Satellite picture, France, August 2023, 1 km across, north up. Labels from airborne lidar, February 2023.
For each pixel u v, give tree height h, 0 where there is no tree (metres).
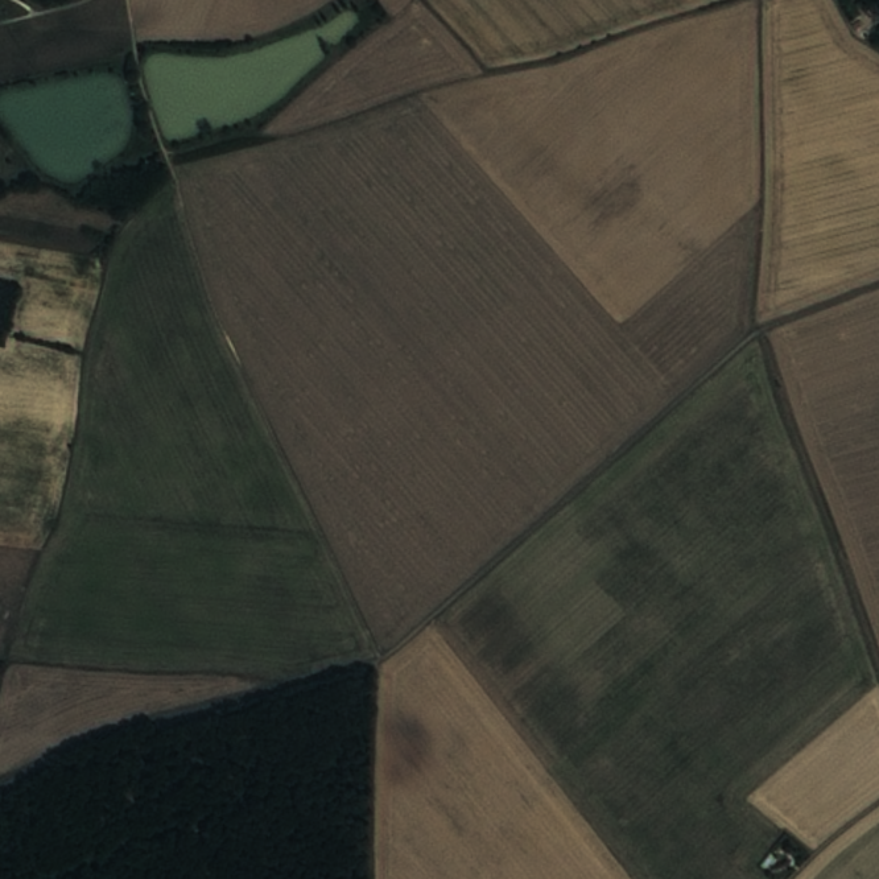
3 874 18
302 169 0
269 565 0
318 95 0
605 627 0
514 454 0
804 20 0
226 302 0
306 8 0
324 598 0
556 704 0
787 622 0
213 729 21
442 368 0
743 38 0
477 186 0
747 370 0
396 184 0
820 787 0
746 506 0
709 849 0
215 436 0
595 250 0
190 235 0
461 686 0
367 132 0
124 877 20
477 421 0
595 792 0
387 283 0
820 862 0
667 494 0
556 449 0
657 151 0
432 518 0
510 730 0
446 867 0
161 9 0
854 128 0
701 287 0
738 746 0
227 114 0
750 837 0
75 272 0
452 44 0
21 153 0
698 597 0
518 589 0
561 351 0
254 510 0
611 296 0
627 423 0
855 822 0
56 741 0
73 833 17
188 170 0
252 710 21
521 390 0
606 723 0
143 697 0
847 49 0
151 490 0
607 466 0
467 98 0
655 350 0
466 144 0
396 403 0
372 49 0
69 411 0
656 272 0
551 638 0
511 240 0
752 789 0
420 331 0
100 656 0
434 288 0
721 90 0
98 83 0
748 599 0
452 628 0
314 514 0
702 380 0
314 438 0
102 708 0
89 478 0
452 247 0
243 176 0
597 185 0
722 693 0
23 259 0
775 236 0
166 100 0
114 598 0
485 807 0
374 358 0
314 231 0
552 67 0
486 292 0
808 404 0
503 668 0
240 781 18
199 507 0
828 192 0
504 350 0
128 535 0
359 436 0
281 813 25
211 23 0
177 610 0
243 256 0
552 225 0
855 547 0
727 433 0
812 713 0
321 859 19
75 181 0
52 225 0
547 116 0
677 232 0
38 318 0
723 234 0
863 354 0
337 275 0
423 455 0
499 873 0
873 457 0
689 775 0
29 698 0
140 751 21
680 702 0
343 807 24
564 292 0
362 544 0
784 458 0
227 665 0
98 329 0
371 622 0
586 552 0
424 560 0
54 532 0
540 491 0
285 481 0
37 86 13
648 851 0
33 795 18
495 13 0
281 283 0
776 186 0
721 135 0
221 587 0
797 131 0
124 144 0
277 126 0
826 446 0
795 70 0
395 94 0
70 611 0
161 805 24
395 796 0
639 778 0
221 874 23
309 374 0
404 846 0
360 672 15
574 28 0
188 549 0
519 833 0
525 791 0
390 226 0
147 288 0
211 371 0
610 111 0
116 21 0
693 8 0
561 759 0
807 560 0
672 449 0
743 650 0
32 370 0
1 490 0
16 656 0
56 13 0
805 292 0
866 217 0
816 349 0
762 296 0
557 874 0
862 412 0
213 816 19
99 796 22
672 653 0
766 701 0
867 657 0
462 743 0
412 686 0
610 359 0
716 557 0
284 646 0
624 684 0
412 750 0
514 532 0
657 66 0
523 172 0
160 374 0
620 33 0
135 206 10
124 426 0
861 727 0
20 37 0
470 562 0
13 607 0
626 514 0
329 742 25
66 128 0
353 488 0
